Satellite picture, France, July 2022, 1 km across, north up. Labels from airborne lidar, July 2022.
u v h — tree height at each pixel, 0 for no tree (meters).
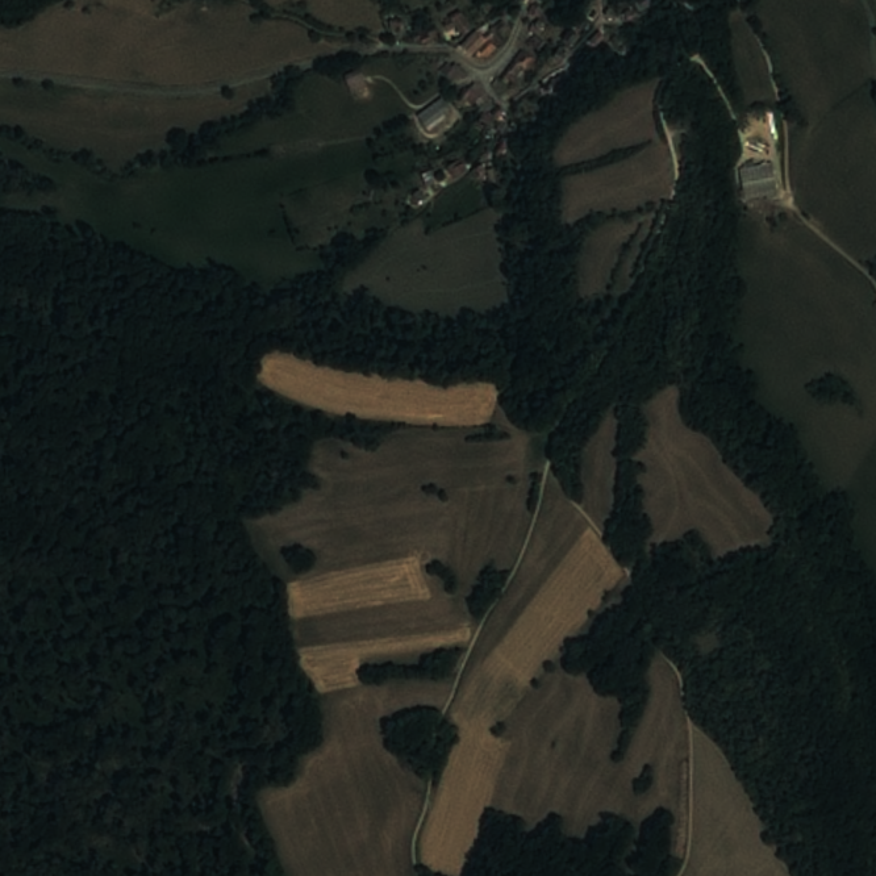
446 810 0
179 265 0
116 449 30
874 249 0
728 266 18
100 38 0
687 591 15
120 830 22
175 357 24
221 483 21
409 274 0
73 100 0
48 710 29
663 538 0
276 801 0
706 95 16
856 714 24
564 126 14
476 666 0
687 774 0
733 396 27
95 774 25
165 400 29
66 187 0
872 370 0
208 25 0
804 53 0
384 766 0
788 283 0
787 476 25
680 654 12
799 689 17
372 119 0
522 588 0
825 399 9
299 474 15
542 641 0
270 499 19
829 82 0
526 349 27
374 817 0
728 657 11
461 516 0
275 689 10
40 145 18
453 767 0
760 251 0
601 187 0
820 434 0
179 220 0
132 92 0
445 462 0
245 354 19
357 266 24
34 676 25
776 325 0
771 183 0
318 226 0
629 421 14
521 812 0
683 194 10
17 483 25
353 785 0
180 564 26
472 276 0
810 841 13
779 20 0
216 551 30
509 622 0
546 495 0
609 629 16
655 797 0
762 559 14
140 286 24
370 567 0
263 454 10
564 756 0
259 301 26
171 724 24
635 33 9
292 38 0
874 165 0
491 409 0
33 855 21
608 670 20
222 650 25
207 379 23
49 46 0
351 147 0
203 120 0
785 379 0
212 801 26
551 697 0
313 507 0
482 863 21
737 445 19
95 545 19
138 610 29
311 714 25
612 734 0
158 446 28
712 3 6
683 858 0
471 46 0
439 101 0
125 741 26
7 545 25
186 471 29
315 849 0
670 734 0
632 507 17
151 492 26
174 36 0
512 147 15
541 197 18
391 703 0
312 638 0
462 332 26
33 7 17
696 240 7
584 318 15
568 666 18
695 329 14
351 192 0
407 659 0
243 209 0
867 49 0
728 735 8
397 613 0
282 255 0
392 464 0
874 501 0
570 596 0
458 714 0
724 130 23
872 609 12
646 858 19
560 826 13
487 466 0
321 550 0
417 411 0
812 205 0
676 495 0
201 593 21
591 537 0
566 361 18
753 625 15
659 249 14
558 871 26
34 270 20
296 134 0
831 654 13
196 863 23
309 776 0
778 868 0
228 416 26
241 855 29
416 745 21
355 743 0
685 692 9
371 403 0
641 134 0
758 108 6
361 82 0
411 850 0
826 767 17
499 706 0
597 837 21
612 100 13
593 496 0
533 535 0
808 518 27
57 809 25
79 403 24
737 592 13
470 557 0
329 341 21
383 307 15
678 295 12
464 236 0
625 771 0
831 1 0
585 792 0
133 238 0
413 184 0
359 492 0
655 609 15
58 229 18
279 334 11
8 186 21
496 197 25
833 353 0
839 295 0
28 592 26
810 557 19
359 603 0
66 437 24
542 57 8
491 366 24
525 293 22
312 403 0
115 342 25
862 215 0
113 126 0
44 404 26
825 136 0
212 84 0
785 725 7
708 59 18
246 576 26
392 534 0
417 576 0
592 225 12
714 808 0
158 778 24
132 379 25
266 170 0
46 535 26
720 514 0
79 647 31
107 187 0
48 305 13
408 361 24
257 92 0
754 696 12
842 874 15
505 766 0
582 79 20
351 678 0
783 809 16
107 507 24
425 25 7
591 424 18
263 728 26
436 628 0
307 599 0
